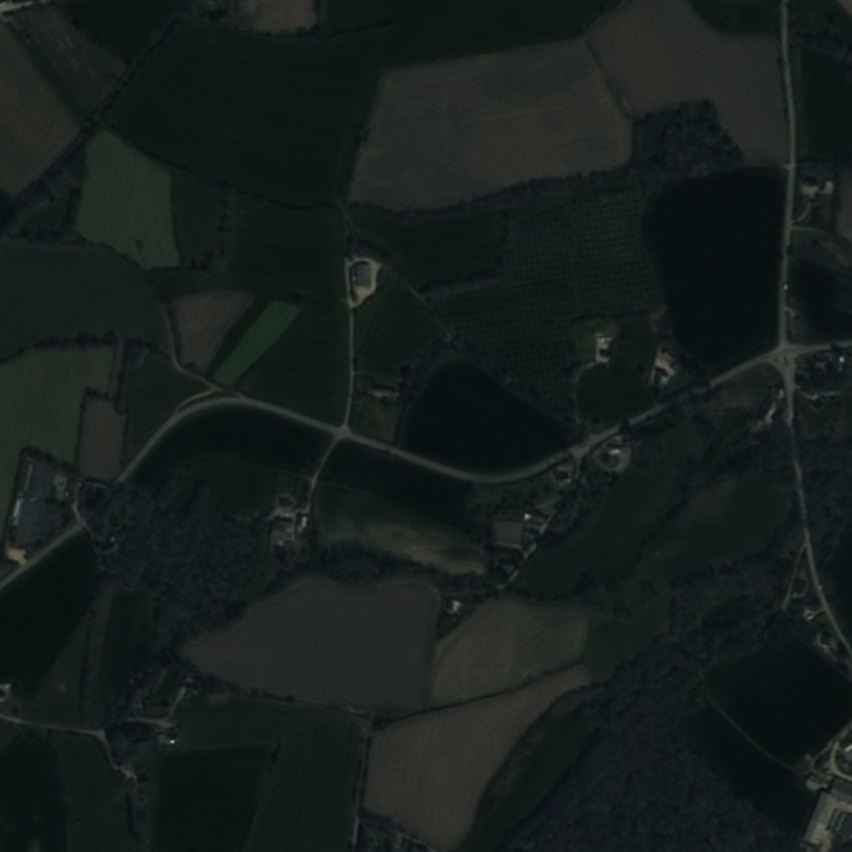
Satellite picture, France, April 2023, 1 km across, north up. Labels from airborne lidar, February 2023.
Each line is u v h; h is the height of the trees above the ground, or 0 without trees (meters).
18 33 0
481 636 0
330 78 0
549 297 6
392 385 0
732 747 0
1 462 0
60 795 15
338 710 0
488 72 0
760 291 0
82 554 0
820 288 0
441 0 0
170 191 0
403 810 0
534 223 8
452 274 0
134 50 0
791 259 9
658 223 0
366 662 0
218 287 0
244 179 0
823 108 0
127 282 0
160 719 0
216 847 0
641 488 0
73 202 11
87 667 10
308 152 0
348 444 0
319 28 7
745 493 0
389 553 0
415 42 0
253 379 0
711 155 11
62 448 0
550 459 0
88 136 14
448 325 14
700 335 0
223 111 0
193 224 0
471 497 17
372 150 0
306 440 0
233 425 0
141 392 0
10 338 0
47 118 0
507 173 0
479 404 0
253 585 9
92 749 0
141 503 15
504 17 0
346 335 0
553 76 0
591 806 17
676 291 0
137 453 0
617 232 6
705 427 22
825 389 7
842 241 11
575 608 0
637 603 0
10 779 0
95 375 0
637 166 13
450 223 0
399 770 0
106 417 0
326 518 0
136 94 0
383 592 0
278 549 8
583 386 0
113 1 0
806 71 0
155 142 0
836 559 0
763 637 8
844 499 18
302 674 0
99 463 0
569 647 0
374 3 0
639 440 11
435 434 0
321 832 0
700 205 0
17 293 0
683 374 14
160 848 0
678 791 15
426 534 0
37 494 0
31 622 0
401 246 0
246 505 0
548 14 0
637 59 0
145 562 27
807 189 0
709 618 0
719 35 0
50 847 0
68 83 0
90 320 0
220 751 0
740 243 0
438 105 0
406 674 0
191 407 0
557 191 14
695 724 0
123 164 0
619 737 22
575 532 9
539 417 0
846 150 0
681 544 0
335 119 0
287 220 0
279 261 0
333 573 10
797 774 0
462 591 16
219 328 0
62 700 0
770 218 0
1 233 13
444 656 0
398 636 0
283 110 0
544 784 0
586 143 0
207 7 0
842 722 0
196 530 13
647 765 14
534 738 8
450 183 0
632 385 0
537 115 0
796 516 14
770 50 0
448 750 0
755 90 0
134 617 0
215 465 0
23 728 0
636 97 0
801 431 14
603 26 0
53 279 0
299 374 0
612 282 6
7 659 0
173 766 0
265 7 0
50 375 0
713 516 0
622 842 20
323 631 0
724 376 0
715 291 0
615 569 0
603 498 11
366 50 0
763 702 0
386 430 0
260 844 0
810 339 0
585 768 20
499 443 0
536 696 0
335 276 0
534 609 0
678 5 0
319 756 0
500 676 0
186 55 0
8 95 0
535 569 0
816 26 0
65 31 0
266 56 0
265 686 0
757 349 0
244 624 0
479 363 14
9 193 0
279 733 0
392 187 0
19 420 0
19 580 0
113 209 0
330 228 0
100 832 0
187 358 0
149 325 0
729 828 21
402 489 0
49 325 0
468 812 0
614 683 13
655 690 17
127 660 0
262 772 0
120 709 9
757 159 0
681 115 10
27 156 0
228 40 0
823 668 0
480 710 0
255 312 0
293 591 0
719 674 0
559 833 17
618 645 0
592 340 0
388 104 0
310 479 0
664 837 13
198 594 30
